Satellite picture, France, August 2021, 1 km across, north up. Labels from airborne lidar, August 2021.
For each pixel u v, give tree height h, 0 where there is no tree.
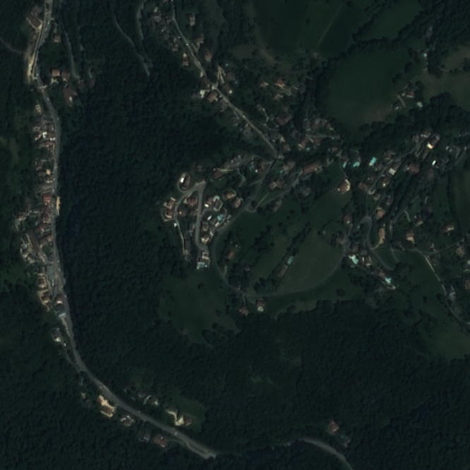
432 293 0
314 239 0
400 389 22
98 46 15
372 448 28
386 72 0
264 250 16
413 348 11
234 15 8
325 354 21
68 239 13
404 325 21
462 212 0
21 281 13
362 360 30
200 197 0
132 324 13
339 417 19
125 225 15
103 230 17
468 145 9
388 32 0
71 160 26
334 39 0
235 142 9
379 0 8
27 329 14
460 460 22
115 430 8
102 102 16
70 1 13
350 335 23
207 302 0
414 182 15
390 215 7
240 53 0
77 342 10
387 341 25
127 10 15
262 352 24
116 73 17
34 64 0
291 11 0
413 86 14
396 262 0
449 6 16
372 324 32
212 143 17
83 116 11
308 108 17
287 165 0
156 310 13
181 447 14
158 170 19
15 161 0
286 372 8
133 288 21
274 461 25
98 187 25
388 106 0
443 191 0
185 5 12
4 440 20
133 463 16
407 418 37
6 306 20
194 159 19
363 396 21
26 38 13
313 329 23
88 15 20
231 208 8
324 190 8
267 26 0
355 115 0
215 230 0
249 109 17
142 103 30
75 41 14
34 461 35
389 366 17
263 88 9
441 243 0
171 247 11
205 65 8
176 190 10
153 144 23
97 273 25
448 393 14
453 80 0
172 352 23
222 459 24
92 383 21
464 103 0
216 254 0
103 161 27
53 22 7
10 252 14
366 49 21
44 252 0
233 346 17
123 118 25
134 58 16
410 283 6
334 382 23
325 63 10
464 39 14
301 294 0
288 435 14
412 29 16
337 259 0
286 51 0
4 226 25
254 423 22
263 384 6
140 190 22
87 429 26
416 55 7
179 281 0
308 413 16
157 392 14
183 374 23
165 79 28
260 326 22
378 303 11
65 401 32
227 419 20
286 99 9
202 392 20
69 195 12
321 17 0
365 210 8
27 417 29
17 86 23
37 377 19
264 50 0
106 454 30
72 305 12
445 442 31
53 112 0
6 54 25
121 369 13
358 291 0
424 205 8
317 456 23
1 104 6
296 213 10
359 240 14
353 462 26
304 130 10
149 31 15
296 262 0
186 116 12
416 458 30
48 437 39
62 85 13
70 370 25
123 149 21
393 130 21
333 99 0
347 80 0
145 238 22
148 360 13
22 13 21
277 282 17
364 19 0
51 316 0
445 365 11
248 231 0
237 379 20
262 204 0
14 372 25
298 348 10
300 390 14
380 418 24
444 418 24
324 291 0
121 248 22
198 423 0
